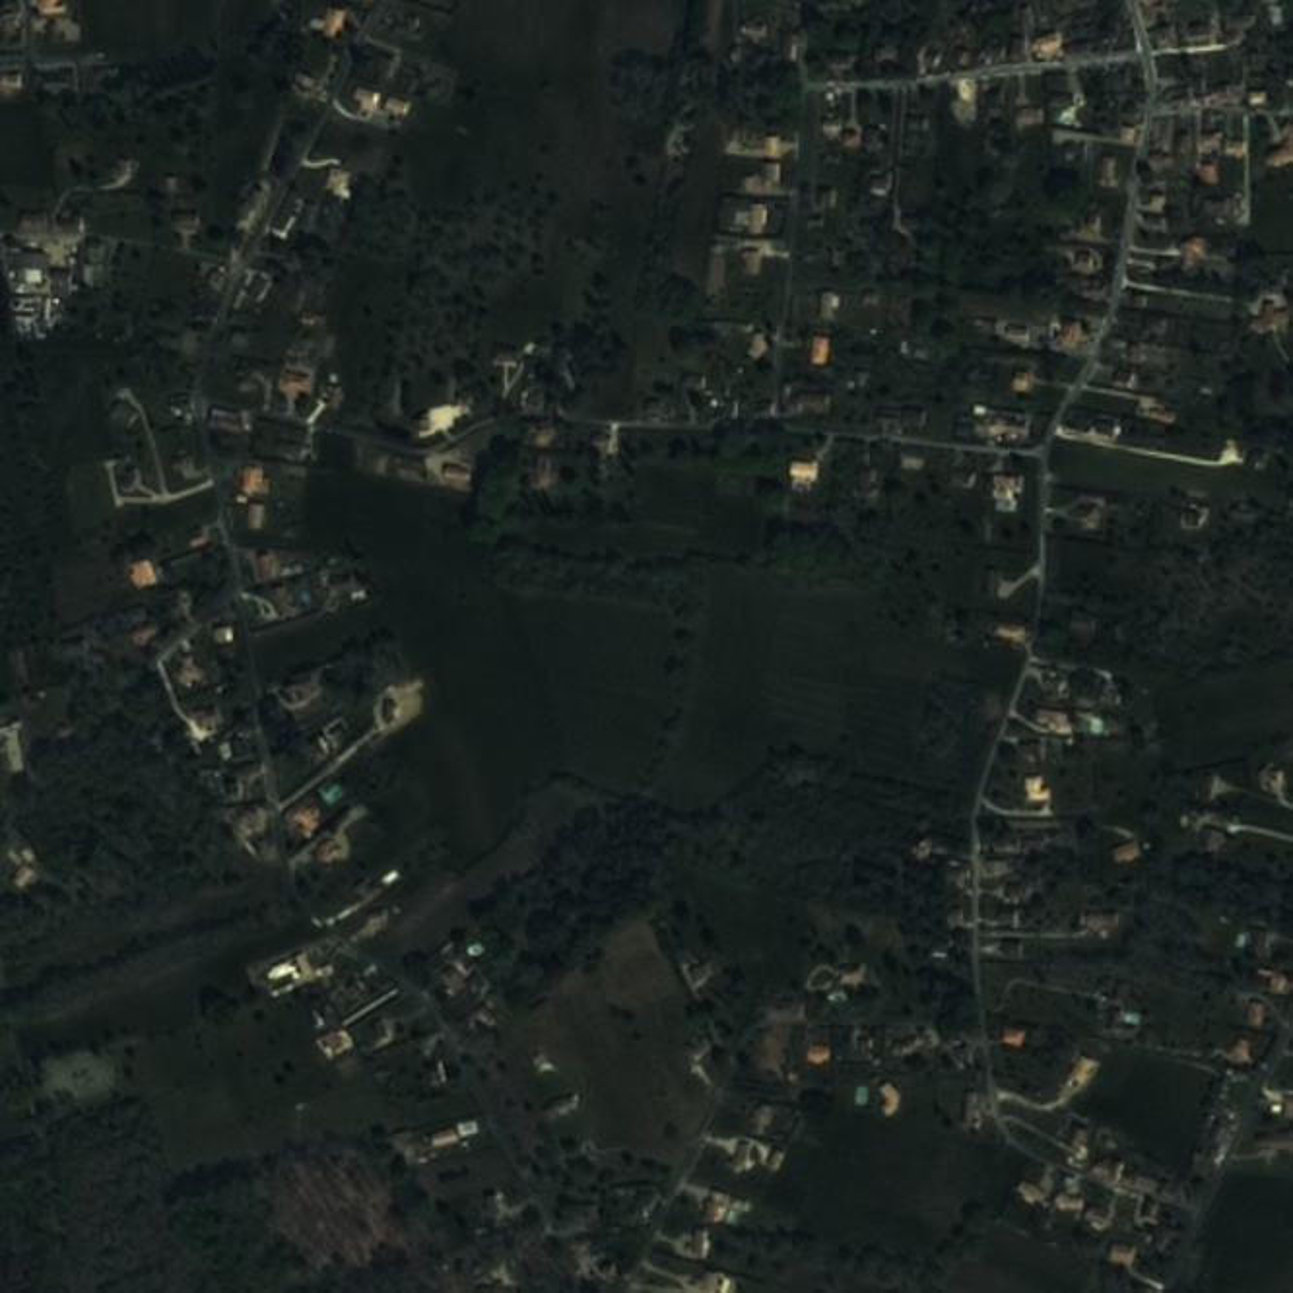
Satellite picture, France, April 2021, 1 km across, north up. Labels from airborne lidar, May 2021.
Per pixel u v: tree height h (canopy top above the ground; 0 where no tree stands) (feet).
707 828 59
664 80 59
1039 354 20
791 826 24
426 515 0
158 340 24
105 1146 39
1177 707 0
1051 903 24
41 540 0
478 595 0
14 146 0
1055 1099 0
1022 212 21
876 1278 36
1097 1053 0
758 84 38
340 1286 70
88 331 0
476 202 26
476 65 0
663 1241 0
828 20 40
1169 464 0
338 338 0
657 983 0
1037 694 0
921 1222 0
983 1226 35
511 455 69
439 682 0
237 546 0
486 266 35
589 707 0
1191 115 0
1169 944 46
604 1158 0
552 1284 64
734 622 0
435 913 0
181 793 77
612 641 0
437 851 19
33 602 17
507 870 0
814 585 34
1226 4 28
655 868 52
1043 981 43
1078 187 64
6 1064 30
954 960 28
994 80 0
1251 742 0
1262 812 0
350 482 0
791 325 22
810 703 0
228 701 41
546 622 0
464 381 58
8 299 32
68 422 0
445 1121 0
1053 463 0
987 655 0
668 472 0
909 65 19
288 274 31
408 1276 69
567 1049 0
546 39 0
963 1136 0
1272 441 67
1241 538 25
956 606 0
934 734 49
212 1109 0
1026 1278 0
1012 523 0
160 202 30
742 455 56
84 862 24
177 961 48
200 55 0
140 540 21
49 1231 58
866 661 0
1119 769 0
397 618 0
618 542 0
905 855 27
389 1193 50
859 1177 0
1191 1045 0
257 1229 93
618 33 0
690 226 0
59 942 34
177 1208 66
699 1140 0
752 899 0
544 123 0
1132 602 25
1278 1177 0
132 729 46
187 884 50
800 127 37
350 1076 0
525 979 53
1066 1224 0
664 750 25
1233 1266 0
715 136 0
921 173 0
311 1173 81
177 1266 63
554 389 52
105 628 40
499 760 0
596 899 47
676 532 0
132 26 0
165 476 0
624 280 0
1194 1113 0
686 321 36
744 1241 49
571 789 25
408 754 0
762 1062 0
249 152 0
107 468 0
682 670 39
